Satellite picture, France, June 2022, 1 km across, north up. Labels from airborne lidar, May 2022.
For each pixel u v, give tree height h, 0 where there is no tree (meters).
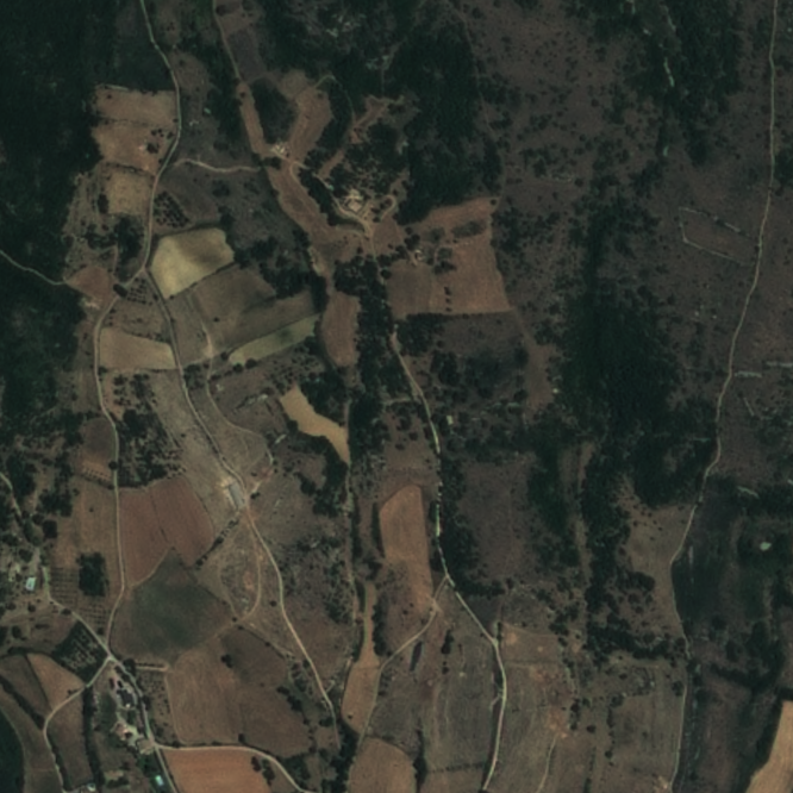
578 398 8
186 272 0
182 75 0
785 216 0
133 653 0
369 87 7
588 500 9
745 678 9
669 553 0
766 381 0
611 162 8
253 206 0
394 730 0
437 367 7
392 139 8
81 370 0
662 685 0
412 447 0
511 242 7
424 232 0
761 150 0
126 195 0
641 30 6
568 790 0
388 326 10
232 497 0
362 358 10
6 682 8
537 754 0
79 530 0
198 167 0
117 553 0
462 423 6
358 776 0
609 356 7
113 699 0
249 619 0
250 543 0
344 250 0
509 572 0
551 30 0
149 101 0
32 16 8
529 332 0
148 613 0
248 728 0
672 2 9
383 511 0
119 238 6
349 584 7
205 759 0
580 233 8
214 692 0
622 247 6
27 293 6
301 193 0
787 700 12
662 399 6
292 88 0
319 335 8
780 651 10
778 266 0
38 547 11
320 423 0
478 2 0
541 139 0
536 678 0
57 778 0
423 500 0
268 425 0
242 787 0
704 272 0
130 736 9
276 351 0
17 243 7
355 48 7
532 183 0
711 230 0
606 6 9
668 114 8
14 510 10
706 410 6
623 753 0
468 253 0
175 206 8
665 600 0
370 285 11
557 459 7
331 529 0
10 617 0
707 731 0
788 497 7
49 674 0
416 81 7
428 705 0
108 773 0
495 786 0
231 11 0
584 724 0
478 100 7
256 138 0
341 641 0
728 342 0
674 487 7
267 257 8
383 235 0
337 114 8
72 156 8
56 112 6
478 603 0
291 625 0
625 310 7
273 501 0
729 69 7
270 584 0
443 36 7
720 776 0
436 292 0
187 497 0
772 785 0
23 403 6
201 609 0
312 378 6
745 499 8
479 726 0
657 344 6
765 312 0
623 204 8
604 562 7
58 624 0
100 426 0
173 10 0
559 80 0
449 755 0
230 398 0
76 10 8
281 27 8
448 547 10
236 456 0
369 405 7
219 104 8
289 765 6
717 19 5
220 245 0
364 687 0
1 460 7
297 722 0
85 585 9
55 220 6
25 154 6
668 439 7
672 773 0
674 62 6
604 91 5
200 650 0
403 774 0
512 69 0
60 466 6
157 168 0
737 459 0
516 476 0
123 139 0
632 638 8
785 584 10
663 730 0
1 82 6
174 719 0
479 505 0
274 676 0
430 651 0
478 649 0
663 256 0
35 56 6
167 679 0
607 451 9
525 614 0
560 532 6
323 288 11
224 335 0
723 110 7
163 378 0
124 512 0
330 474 7
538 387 0
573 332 7
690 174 0
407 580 0
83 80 9
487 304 0
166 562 0
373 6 7
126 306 0
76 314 8
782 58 6
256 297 0
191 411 0
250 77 0
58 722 0
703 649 0
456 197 6
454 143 7
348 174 6
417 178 6
